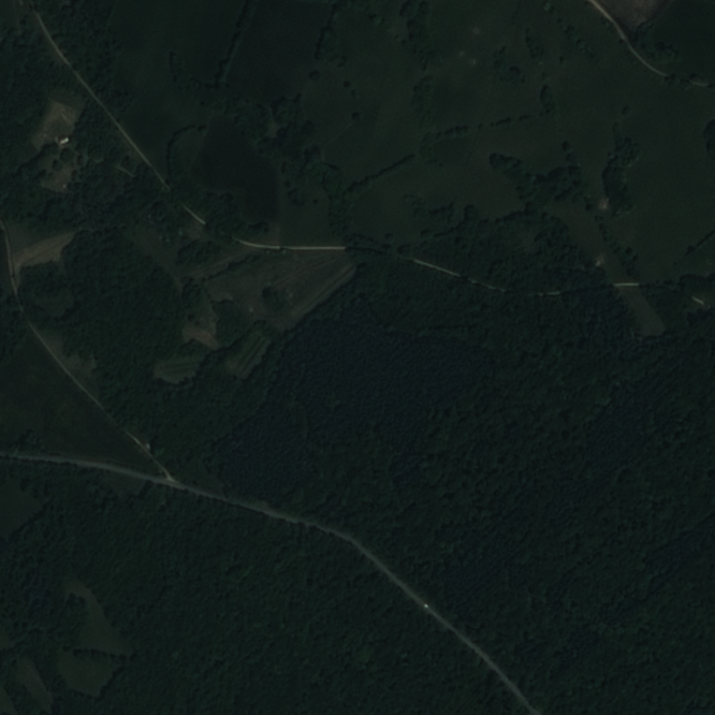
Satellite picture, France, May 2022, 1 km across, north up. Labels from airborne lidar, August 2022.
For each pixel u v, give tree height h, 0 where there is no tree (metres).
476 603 19
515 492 14
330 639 20
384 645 25
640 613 19
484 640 20
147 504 15
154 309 15
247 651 17
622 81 0
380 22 6
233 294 0
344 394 18
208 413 16
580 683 17
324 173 19
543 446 19
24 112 20
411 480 31
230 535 16
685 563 20
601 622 20
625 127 0
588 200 7
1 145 17
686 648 16
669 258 0
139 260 9
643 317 0
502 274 14
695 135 0
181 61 13
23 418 0
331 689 19
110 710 15
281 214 0
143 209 9
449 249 6
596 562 14
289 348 19
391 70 0
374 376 17
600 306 24
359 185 12
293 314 0
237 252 0
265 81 0
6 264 0
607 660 15
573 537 8
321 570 14
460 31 0
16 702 13
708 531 19
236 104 18
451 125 0
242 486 21
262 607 16
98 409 7
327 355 20
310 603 20
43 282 11
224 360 17
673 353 18
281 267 0
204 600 13
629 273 14
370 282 18
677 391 20
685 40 0
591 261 7
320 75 13
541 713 11
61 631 17
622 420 17
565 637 16
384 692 17
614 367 21
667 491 19
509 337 16
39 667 21
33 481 7
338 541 14
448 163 0
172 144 10
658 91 0
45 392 0
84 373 0
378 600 18
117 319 21
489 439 19
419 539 18
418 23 17
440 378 22
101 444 0
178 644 16
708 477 18
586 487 19
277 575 18
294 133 13
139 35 0
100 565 16
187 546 18
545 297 9
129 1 0
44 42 7
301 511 18
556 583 23
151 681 16
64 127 0
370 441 21
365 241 13
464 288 17
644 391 18
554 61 0
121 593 9
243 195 0
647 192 0
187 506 14
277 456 18
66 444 0
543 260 12
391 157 0
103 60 15
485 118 0
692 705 19
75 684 0
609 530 18
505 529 15
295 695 18
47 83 14
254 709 17
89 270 16
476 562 14
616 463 16
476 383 20
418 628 18
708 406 16
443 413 16
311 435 23
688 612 19
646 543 20
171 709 20
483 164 0
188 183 14
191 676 18
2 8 0
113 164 10
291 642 24
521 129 0
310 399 20
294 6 0
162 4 0
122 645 0
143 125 0
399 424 20
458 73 0
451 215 10
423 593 12
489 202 0
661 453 21
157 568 7
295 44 0
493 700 9
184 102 0
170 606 13
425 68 8
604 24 8
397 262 8
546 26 0
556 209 0
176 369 0
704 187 0
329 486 19
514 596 18
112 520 17
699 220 0
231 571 20
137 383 15
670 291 14
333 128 0
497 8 0
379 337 19
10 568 8
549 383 17
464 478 22
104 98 11
